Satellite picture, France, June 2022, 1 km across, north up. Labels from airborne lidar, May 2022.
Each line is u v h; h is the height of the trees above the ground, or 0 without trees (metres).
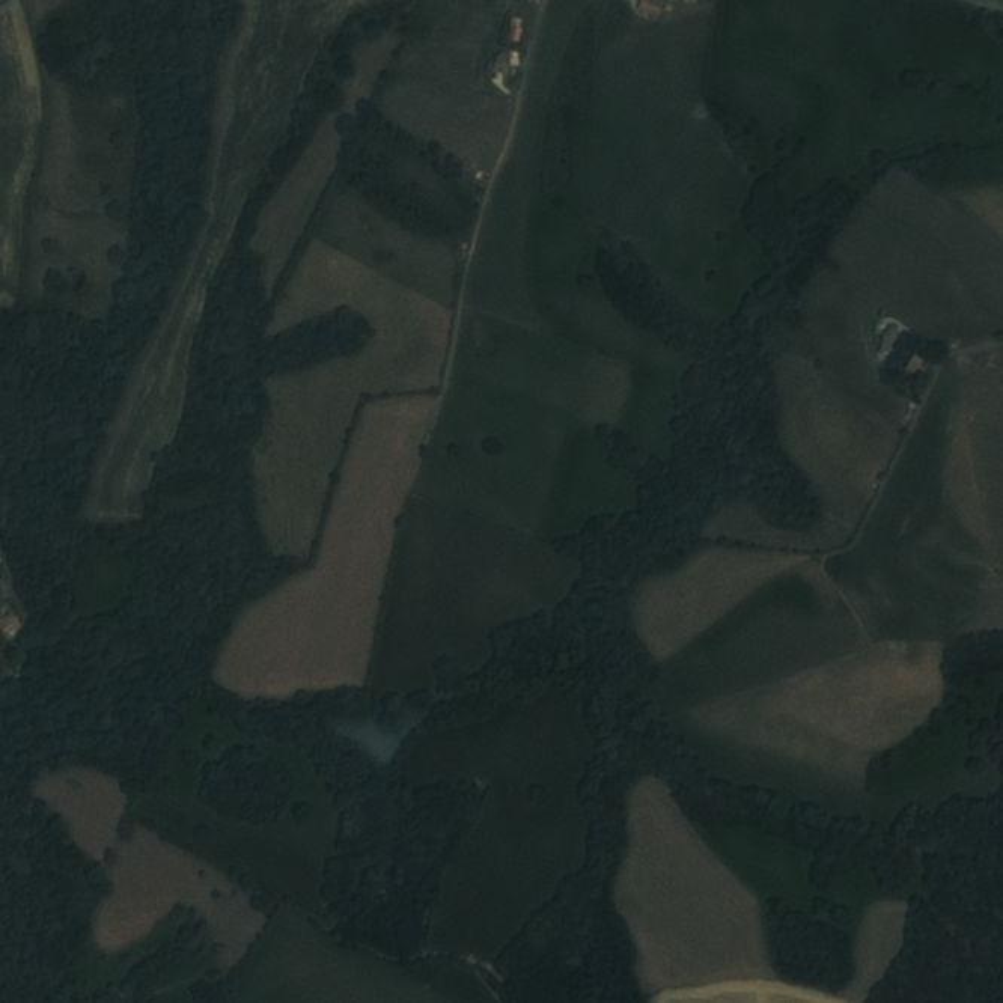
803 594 0
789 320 18
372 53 0
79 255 0
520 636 21
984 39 0
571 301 0
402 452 0
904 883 11
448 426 0
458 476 0
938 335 0
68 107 0
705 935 0
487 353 0
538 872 0
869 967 0
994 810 20
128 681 15
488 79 0
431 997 0
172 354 0
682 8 0
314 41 0
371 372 0
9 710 22
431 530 0
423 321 0
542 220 0
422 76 0
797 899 0
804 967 17
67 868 7
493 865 0
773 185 13
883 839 17
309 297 0
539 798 17
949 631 0
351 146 15
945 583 0
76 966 8
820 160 0
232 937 0
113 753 16
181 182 21
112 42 9
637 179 0
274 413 0
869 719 0
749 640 0
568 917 14
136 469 0
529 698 23
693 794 20
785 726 0
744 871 0
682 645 0
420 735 7
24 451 8
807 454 0
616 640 23
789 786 0
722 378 8
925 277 0
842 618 0
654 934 0
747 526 0
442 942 0
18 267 0
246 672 0
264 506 0
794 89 0
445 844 12
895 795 0
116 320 16
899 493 0
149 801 0
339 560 0
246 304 16
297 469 0
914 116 0
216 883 0
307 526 0
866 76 0
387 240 0
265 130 0
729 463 12
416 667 0
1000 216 0
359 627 0
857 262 0
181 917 12
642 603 0
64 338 13
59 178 0
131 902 0
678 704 0
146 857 0
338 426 0
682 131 0
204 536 9
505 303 0
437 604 0
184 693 19
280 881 0
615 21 0
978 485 0
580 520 0
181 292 0
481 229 0
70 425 22
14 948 9
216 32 9
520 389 0
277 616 0
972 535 0
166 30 14
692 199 0
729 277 0
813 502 12
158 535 9
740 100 0
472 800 12
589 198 0
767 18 0
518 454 0
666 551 9
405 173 0
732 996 0
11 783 7
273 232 0
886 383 12
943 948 26
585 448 0
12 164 0
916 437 0
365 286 0
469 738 0
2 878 9
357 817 16
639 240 0
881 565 0
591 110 0
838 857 15
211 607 6
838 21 0
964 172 0
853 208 8
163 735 19
